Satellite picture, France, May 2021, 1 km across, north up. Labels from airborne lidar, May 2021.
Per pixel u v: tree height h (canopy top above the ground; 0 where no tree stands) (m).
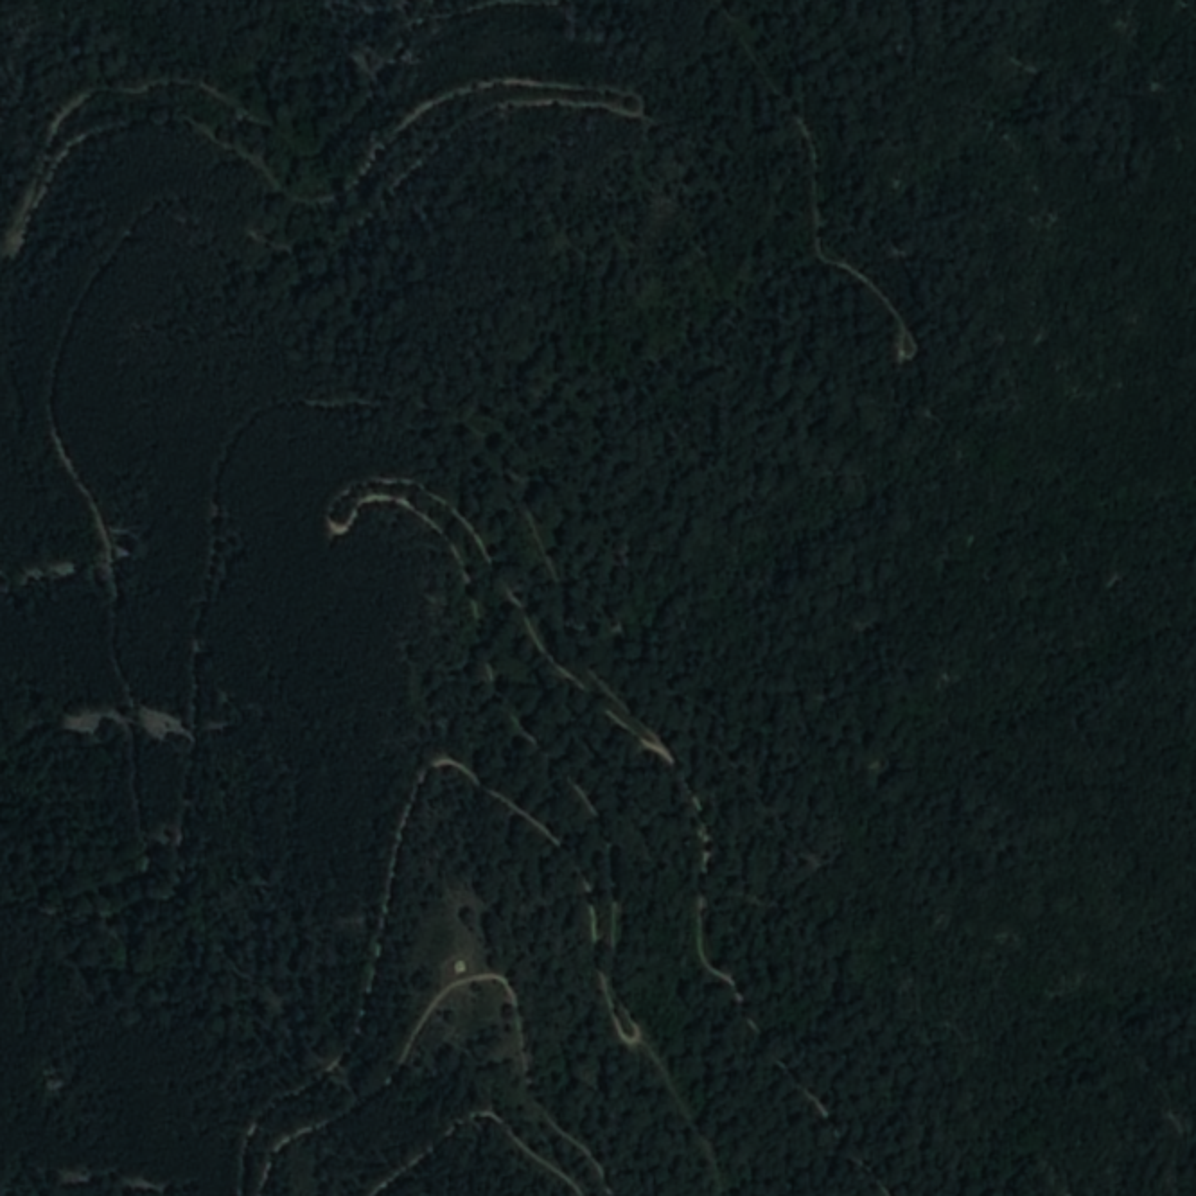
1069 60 19
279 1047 25
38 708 22
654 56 25
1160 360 16
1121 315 15
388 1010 16
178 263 20
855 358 25
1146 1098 17
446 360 24
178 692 16
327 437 16
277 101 15
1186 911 19
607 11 24
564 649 36
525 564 19
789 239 13
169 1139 14
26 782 10
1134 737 16
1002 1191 18
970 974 17
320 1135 12
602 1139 23
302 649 13
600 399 26
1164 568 17
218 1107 14
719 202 27
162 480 16
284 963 19
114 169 18
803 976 15
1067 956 19
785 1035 24
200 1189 15
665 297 7
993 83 22
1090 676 15
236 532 14
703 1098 11
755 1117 31
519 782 24
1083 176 18
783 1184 21
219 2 20
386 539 15
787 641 32
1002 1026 18
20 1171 9
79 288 15
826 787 20
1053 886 14
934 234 21
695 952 11
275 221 28
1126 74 16
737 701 25
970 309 21
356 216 12
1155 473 15
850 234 7
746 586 23
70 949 26
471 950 0
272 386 17
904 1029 16
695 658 18
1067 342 13
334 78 8
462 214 26
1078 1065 23
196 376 18
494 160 22
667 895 8
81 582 15
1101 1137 15
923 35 31
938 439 19
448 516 8
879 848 14
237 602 15
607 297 8
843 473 24
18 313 13
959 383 24
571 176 18
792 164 21
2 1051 17
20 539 15
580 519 23
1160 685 17
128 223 17
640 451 23
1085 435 15
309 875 13
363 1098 11
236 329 19
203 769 13
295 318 28
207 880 18
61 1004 14
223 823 15
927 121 16
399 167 16
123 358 15
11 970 17
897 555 14
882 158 19
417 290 27
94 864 24
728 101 22
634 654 32
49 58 9
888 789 28
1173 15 13
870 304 20
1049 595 12
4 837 20
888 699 30
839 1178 26
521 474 28
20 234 0
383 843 12
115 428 15
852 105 26
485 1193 19
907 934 13
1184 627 21
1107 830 22
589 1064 26
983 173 16
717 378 20
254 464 14
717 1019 26
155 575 14
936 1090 22
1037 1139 23
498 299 21
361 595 13
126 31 11
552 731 29
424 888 11
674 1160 25
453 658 15
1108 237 17
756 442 19
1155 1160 27
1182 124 15
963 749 17
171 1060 21
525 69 5
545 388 32
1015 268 11
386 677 14
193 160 22
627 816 29
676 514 30
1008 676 21
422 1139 20
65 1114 11
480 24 6
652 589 14
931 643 14
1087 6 16
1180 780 18
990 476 8
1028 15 26
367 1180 12
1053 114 30
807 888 17
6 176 9
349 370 23
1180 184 16
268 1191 9
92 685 17
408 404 24
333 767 14
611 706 26
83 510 17
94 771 14
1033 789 23
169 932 16
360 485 11
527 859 25
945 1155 19
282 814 14
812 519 22
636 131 15
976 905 15
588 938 6
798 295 25
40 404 15
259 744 21
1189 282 16
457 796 15
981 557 18
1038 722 23
